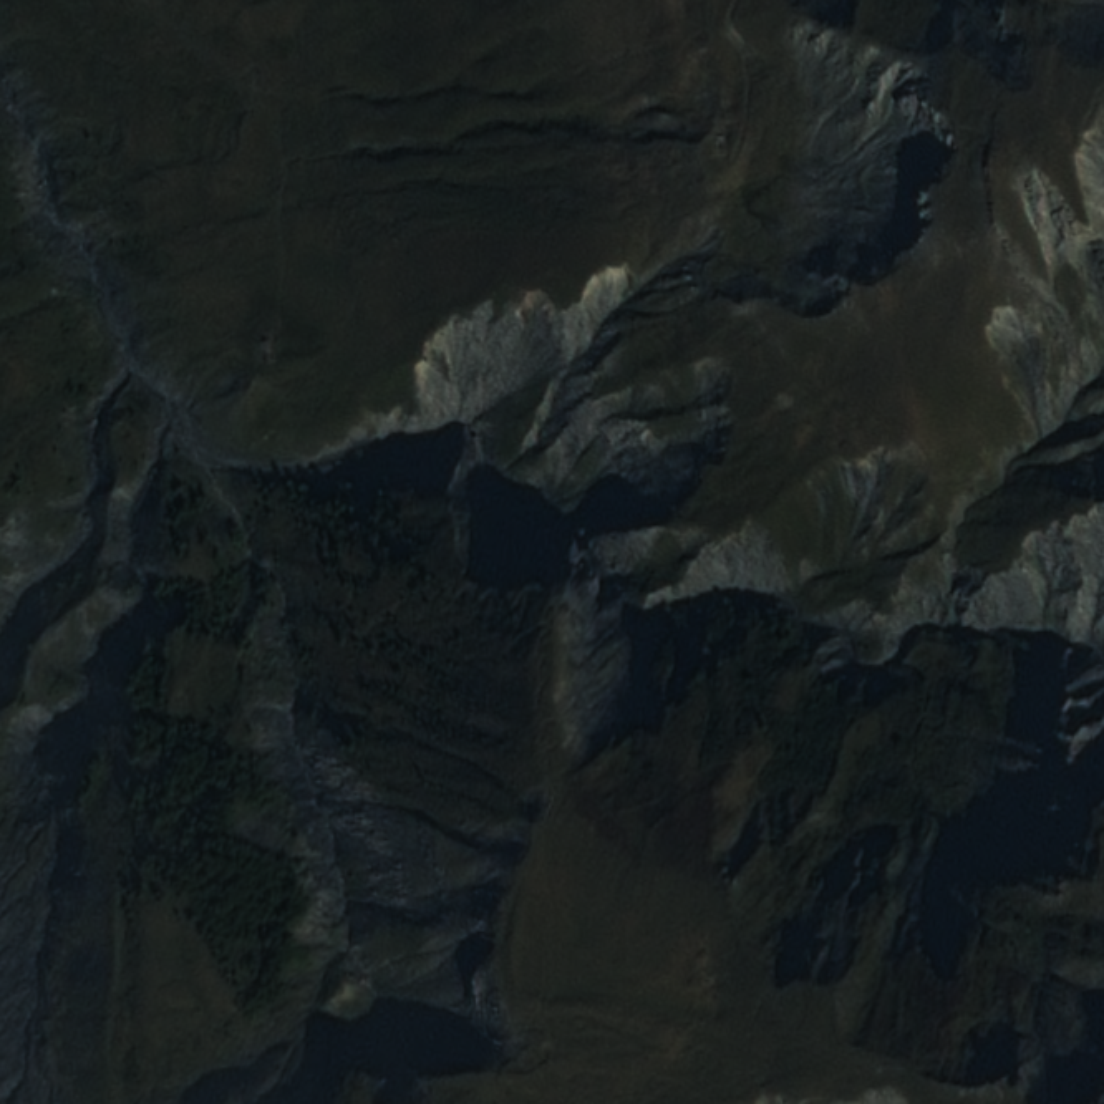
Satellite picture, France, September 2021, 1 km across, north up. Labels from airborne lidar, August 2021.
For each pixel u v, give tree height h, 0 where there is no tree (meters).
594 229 0
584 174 0
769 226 0
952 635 0
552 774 0
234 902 9
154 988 0
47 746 0
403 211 0
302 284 0
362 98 0
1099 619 0
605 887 0
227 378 0
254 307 0
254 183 0
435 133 0
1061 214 0
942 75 0
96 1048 0
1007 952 0
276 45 0
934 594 0
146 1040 0
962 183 0
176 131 0
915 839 0
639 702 0
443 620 0
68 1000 0
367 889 0
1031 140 0
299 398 0
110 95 0
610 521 0
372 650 6
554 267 0
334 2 0
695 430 0
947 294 0
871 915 0
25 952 0
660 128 0
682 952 0
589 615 0
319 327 0
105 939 0
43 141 0
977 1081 0
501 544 0
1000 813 0
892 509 0
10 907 0
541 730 0
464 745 0
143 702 9
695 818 0
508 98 0
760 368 0
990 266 0
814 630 0
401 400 0
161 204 0
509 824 0
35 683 0
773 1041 0
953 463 0
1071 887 0
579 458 0
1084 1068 0
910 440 0
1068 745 0
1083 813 0
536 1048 0
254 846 0
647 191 0
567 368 0
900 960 0
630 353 0
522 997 0
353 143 0
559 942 0
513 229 0
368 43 0
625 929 0
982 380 0
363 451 0
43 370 0
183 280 0
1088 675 0
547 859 0
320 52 0
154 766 0
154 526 0
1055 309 0
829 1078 0
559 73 0
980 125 0
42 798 0
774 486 0
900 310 0
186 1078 0
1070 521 0
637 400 0
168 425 0
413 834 0
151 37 0
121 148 0
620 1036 0
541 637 0
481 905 0
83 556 0
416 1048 0
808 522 0
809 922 0
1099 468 0
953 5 0
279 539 0
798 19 0
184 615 9
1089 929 0
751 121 0
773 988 0
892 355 0
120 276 0
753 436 0
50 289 0
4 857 0
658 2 0
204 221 0
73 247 0
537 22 0
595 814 0
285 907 9
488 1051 0
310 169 0
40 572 0
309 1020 0
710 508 0
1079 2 0
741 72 0
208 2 0
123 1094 0
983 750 0
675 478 0
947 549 0
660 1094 0
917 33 0
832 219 0
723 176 0
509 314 0
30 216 0
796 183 0
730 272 0
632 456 0
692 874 0
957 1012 0
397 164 0
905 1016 0
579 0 0
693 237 0
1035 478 0
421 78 0
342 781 0
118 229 0
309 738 0
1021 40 0
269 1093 0
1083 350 0
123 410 0
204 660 0
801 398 0
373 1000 0
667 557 0
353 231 0
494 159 0
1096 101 0
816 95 0
